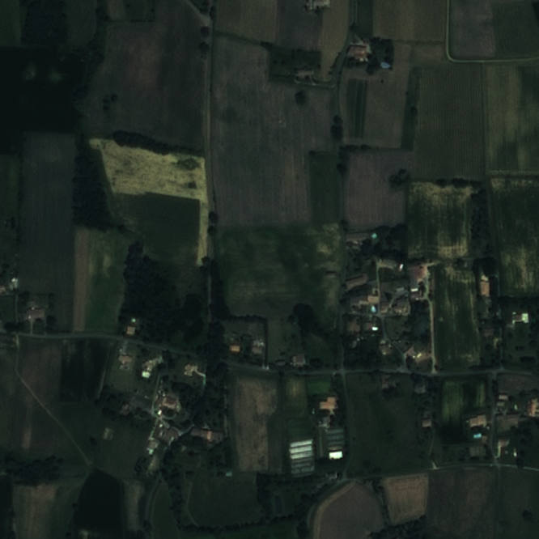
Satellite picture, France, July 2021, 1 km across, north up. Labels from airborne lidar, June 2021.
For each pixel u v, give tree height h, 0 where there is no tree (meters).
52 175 0
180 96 0
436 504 0
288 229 0
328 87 0
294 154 0
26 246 0
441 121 0
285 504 0
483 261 10
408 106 0
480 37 0
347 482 0
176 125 0
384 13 0
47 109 0
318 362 11
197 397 9
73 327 0
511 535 0
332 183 0
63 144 0
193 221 0
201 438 16
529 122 0
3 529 0
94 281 0
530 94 0
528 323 0
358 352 11
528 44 0
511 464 0
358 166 0
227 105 0
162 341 14
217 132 0
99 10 8
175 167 0
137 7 0
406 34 0
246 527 12
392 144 0
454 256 0
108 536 0
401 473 0
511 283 0
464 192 0
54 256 0
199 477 0
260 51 0
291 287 0
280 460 0
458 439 0
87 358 0
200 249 0
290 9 0
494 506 0
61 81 0
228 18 0
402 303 0
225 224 0
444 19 0
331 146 0
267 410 0
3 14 0
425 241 0
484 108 0
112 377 0
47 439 0
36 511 0
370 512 0
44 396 0
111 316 0
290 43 0
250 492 0
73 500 0
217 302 12
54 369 0
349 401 0
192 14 0
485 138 0
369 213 0
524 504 0
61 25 10
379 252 19
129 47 0
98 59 8
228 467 9
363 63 8
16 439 0
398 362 6
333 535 0
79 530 0
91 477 0
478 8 0
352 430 0
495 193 0
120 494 0
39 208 0
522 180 0
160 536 0
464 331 0
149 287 10
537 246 0
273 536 0
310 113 0
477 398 0
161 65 0
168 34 0
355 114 0
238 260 0
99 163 0
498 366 7
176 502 7
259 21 0
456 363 0
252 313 0
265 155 0
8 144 0
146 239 0
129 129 0
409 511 0
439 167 0
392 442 0
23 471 15
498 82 0
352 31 11
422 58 0
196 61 0
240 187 0
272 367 8
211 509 0
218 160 0
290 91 0
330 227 0
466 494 0
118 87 0
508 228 0
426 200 0
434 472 0
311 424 0
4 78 0
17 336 0
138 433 0
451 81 0
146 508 0
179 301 7
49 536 0
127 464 0
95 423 0
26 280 0
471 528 0
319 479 6
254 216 0
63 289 0
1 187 0
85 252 0
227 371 7
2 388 0
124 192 0
